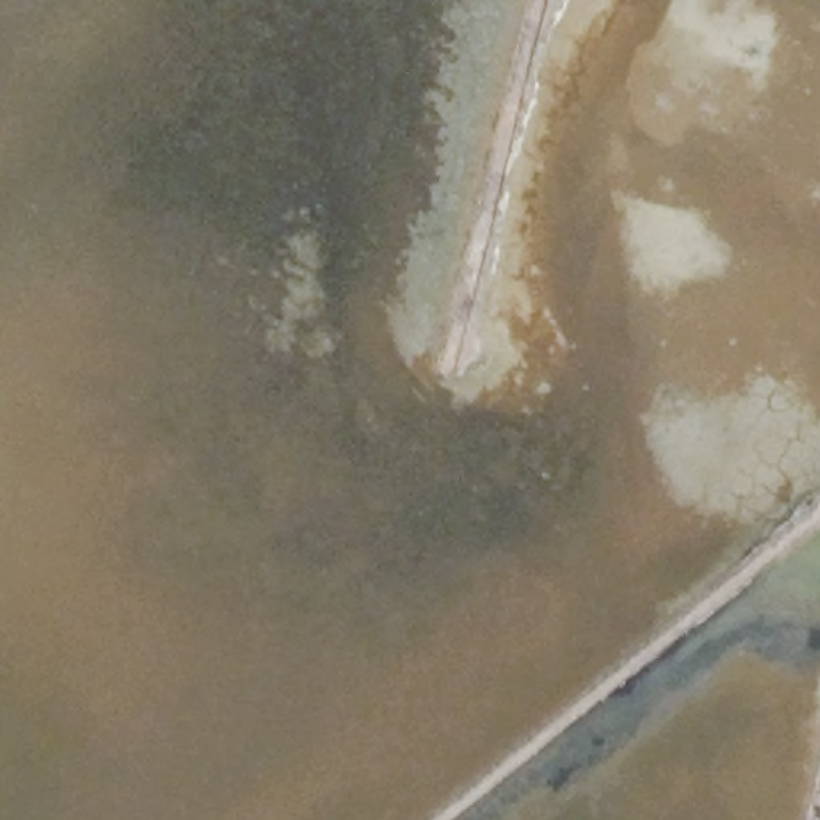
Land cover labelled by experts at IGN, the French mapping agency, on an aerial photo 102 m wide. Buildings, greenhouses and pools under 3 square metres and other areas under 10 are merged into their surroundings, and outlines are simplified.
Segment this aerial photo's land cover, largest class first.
<instances>
[{"label":"water","instance_id":"1","mask_svg":"<svg viewBox=\"0 0 820 820\"><path fill-rule=\"evenodd\" d=\"M673 0H612V6L602 16H596L589 29L580 35L573 58L567 64V83L551 86V106L541 112L545 135L535 138L545 170L532 173L529 189L522 192L525 211L516 224L525 253L519 259L516 279L529 288L532 314L529 320L519 314L506 317L509 336L519 346L522 359L506 368L496 388L480 391L471 404H461L452 397L448 388H442V381L429 388L413 375V368L404 362L394 343V330L388 320V308L404 301V288L397 279L407 269L410 224L416 221V215L429 211L432 183L439 170L442 119L432 103H426V93L436 90L442 64L458 61V54L452 51L455 32L442 22V0H0V820H429L452 798L471 788L484 772L503 762L516 746H522L535 730H541L557 711L577 701L596 679L612 673L657 631H663V625L657 621V609L689 593L705 573H711L724 561V551L730 548V516L698 513L692 503H676L663 468L653 458V448L647 445V429L641 420L644 413H650L657 384H676L682 394L695 400H718L727 394L743 397L756 378L794 381L801 388V400L820 413V0H756L759 13H772L775 19V48L769 58V74H762L689 51L685 32L666 19ZM631 199L695 211L708 234L727 243L724 272L689 279L676 288L644 291L641 279L631 275L628 247L621 237L625 205ZM804 766H820V529L798 541L785 557L762 567L737 596H730L705 621L679 634L663 653L644 663L631 679H625L615 692H609L599 705H593L561 737H554L541 753H535L525 766L506 775L490 794H484L455 820H801Z\"/></svg>","mask_w":820,"mask_h":820},{"label":"pervious surface","instance_id":"2","mask_svg":"<svg viewBox=\"0 0 820 820\"><path fill-rule=\"evenodd\" d=\"M612 6V0H442V22L455 32L452 51L458 54V61L442 64L436 90L426 93V103H432L442 119L439 170L432 183L429 211L416 215V221L410 224L407 269L397 279L404 288V301L388 308V320L394 330V343L404 362L413 368V375L429 388L442 381V388H448L452 397L461 404H471L480 391L496 388L506 368L522 359L519 346L509 336L506 317L519 314L529 320L532 314L529 288L516 279L519 259L525 253L516 224L525 211L522 192L529 189L532 173L545 170L535 138L545 135L541 112L551 106V86L567 83V64L573 58L580 35L589 29L596 16H602ZM666 19L685 32L689 51L762 74H769V58L775 48V19L772 13H759L756 0H673ZM621 237L628 247L631 275L641 279L644 291L676 288L689 279L724 272L727 243L708 234L695 211L631 199L625 205ZM647 429V445L653 448V458L663 468L676 503H692L698 513L730 516V548L724 551V561L711 573H705L689 593L657 609V621L663 625V631H657L612 673L596 679L577 701L557 711L541 730H535L522 746H516L503 762L484 772L471 788L452 798L429 820H455L484 794H490L506 775L525 766L535 753H541L554 737H561L593 705H599L609 692H615L625 679H631L644 663L663 653L679 634L705 621L730 596H737L762 567L785 557L798 541L820 529V413L801 400V388L794 381L756 378L743 397L727 394L718 400H695L682 394L676 384H657L650 413H644L641 420ZM801 820H820V766H804Z\"/></svg>","mask_w":820,"mask_h":820}]
</instances>
